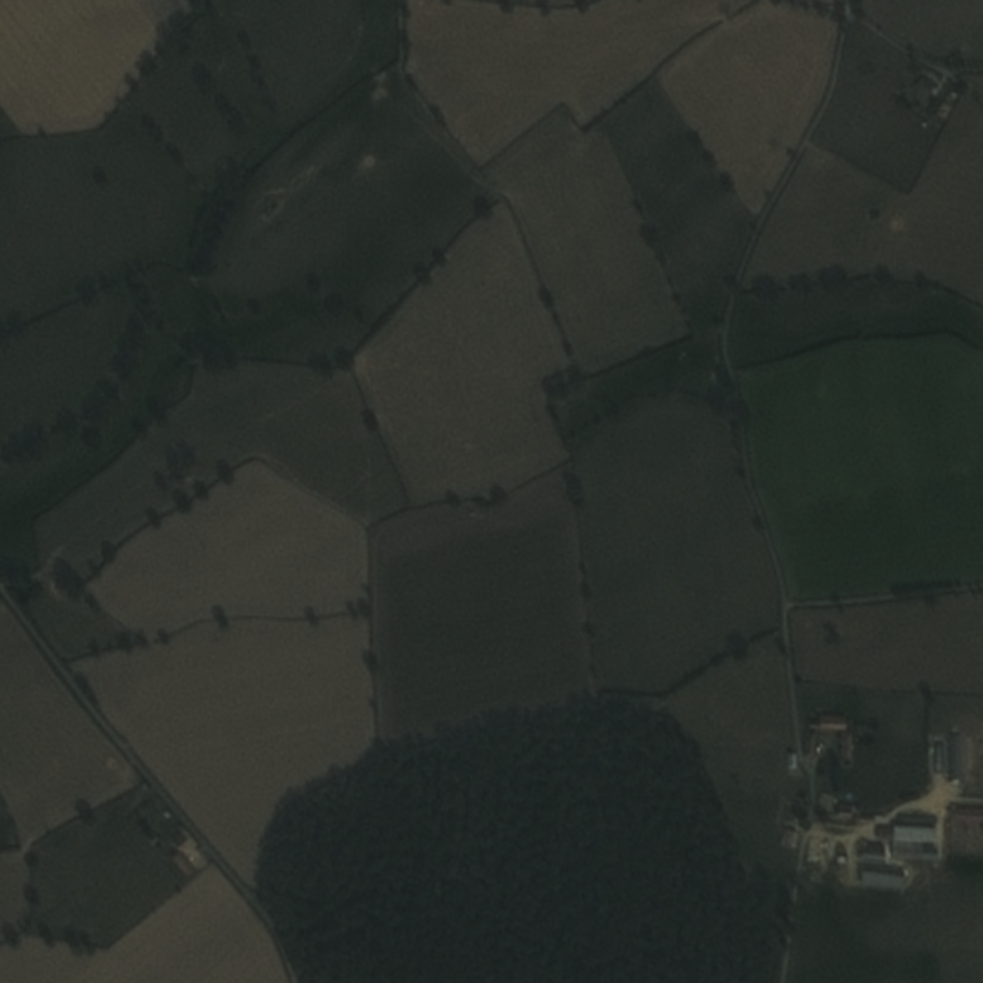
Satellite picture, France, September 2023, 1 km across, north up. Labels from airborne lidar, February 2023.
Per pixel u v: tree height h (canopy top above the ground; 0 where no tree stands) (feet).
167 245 0
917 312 0
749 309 0
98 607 32
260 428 0
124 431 0
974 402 0
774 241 0
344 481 0
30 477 0
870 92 0
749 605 0
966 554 0
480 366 0
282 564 0
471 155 0
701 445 0
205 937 0
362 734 0
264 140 0
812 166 0
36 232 0
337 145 0
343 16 0
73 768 0
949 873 0
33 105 0
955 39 0
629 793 78
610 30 0
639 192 0
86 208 0
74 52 0
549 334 0
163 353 0
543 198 0
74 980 0
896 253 0
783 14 0
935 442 0
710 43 0
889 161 0
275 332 0
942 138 0
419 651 0
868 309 0
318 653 0
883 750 0
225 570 0
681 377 0
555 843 66
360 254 0
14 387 0
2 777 0
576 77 0
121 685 0
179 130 0
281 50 0
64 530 0
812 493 0
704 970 71
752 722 0
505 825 47
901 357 0
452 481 0
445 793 67
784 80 0
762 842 0
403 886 47
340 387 0
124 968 0
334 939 33
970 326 0
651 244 48
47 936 52
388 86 0
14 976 0
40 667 0
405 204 0
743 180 0
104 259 0
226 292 0
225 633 0
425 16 0
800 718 0
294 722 0
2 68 0
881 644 0
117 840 0
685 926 64
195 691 0
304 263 0
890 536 0
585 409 0
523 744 56
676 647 0
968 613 0
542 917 57
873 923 0
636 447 0
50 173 0
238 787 0
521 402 0
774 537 0
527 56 0
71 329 0
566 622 0
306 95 0
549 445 0
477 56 0
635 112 0
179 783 0
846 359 0
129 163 0
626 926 74
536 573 0
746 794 0
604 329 0
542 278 0
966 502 0
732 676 0
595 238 0
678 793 72
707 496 0
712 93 0
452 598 0
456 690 0
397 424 0
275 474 0
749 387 0
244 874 0
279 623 0
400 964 73
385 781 38
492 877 57
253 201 0
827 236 0
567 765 65
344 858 66
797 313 0
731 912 78
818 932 0
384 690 0
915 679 0
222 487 0
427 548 0
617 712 59
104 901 0
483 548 0
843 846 0
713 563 0
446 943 68
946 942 0
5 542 0
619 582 0
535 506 0
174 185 0
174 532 0
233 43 0
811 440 0
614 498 0
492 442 0
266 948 0
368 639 0
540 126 0
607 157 0
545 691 0
